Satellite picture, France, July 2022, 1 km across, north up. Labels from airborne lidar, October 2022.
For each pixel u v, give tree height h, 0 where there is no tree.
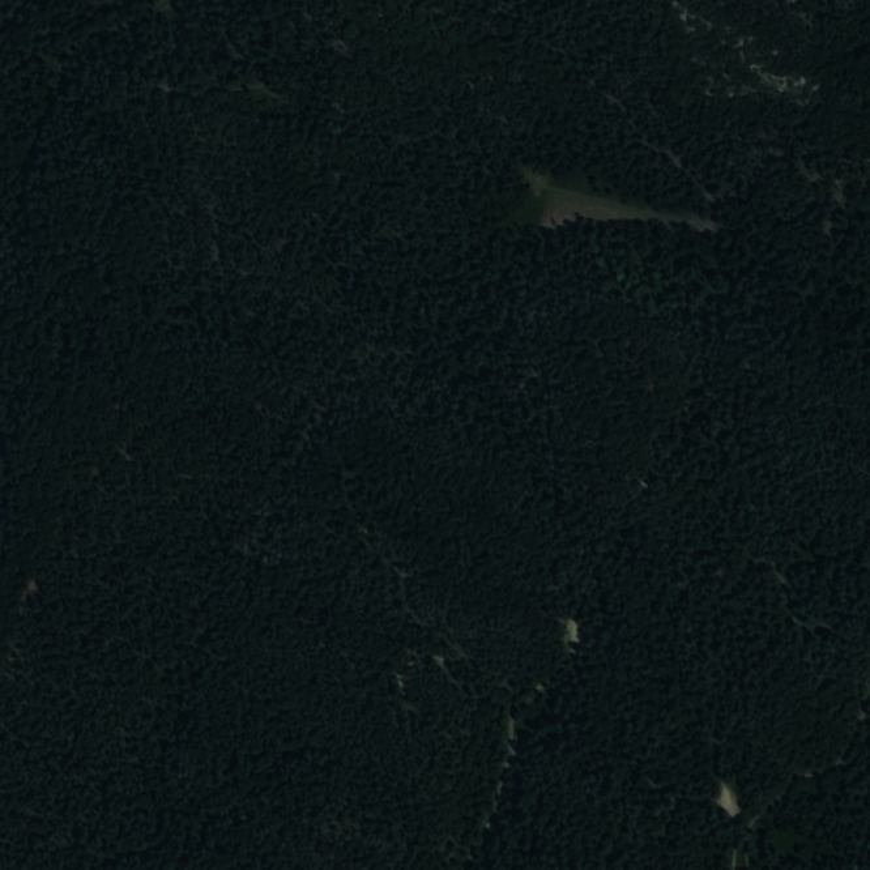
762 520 12
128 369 22
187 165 23
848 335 32
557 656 38
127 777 21
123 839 20
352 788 31
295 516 26
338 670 18
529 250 27
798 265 27
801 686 27
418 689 13
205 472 23
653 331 16
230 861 29
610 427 21
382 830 18
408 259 34
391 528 21
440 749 12
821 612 37
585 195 0
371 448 26
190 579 26
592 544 7
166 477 21
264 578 31
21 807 26
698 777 16
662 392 15
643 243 28
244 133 20
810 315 32
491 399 7
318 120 23
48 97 7
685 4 8
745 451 30
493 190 37
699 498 21
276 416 26
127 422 22
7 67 24
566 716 38
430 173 20
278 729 28
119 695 23
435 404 26
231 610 26
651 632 20
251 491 23
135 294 30
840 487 25
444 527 23
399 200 22
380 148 24
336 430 21
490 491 22
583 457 21
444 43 19
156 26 23
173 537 20
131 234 27
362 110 23
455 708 14
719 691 14
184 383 29
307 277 24
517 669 24
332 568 22
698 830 31
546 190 0
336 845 15
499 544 26
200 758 18
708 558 32
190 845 15
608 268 7
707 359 25
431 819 16
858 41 26
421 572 18
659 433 15
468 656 14
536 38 19
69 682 18
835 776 21
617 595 28
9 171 27
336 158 19
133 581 24
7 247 35
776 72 7
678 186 17
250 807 28
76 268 21
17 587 21
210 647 27
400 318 29
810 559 0
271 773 10
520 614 19
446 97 26
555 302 27
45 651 24
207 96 13
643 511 30
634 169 24
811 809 23
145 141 32
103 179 17
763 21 16
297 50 12
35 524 27
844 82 20
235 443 11
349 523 26
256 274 17
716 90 8
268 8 30
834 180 29
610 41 8
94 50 17
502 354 30
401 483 19
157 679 29
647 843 11
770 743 12
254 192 9
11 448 31
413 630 25
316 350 28
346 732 20
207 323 31
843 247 9
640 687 20
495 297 28
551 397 26
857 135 22
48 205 38
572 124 30
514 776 8
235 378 23
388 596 21
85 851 26
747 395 14
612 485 23
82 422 21
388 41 18
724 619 12
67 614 25
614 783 33
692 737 13
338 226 29
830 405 6
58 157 22
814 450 18
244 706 20
